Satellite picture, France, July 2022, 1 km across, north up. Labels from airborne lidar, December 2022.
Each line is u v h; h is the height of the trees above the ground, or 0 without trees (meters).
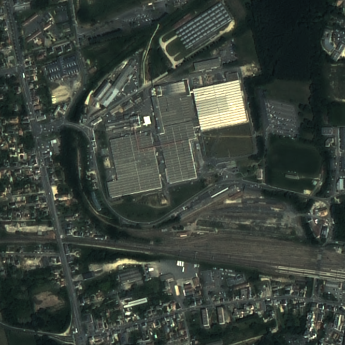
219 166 0
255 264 0
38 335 9
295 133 0
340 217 9
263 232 0
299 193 0
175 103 0
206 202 0
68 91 0
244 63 0
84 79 0
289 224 0
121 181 0
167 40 0
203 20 0
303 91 0
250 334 0
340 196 0
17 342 0
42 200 0
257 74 0
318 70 21
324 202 0
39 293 0
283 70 36
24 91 0
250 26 15
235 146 0
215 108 0
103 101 0
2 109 15
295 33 38
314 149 0
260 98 0
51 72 0
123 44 0
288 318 19
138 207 0
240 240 0
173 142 0
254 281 12
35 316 17
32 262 0
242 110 0
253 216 0
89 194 12
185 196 0
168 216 0
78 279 0
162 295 6
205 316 0
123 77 0
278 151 0
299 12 38
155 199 0
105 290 7
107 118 0
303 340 0
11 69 0
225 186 0
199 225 0
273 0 32
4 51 0
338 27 21
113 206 0
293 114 0
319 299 0
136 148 0
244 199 0
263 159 0
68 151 8
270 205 0
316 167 0
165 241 0
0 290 8
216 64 0
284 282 0
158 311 7
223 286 7
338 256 0
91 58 0
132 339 16
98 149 0
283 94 0
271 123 0
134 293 8
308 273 0
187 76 0
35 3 6
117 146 0
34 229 0
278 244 0
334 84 0
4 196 0
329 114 13
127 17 0
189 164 0
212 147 0
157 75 5
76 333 0
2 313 6
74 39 0
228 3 11
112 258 15
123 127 0
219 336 14
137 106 0
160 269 0
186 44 0
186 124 0
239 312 0
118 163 0
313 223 0
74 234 0
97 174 0
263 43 30
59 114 0
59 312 8
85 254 0
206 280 0
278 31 33
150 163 0
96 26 0
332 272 0
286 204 0
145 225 0
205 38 0
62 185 0
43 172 0
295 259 0
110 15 0
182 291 0
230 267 0
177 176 0
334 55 0
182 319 0
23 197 0
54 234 0
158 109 0
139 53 0
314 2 36
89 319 0
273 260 0
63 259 0
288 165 0
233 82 0
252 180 0
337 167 0
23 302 6
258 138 14
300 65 37
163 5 0
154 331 0
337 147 0
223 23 0
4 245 0
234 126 0
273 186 0
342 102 0
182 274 0
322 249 0
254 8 25
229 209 0
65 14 0
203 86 0
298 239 0
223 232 0
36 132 0
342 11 17
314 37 28
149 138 0
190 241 0
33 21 0
